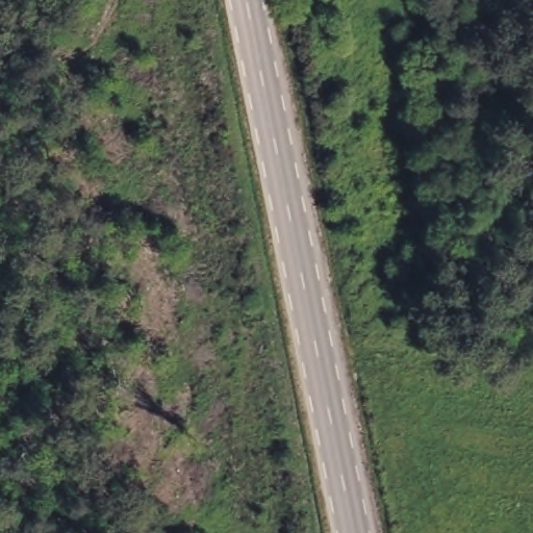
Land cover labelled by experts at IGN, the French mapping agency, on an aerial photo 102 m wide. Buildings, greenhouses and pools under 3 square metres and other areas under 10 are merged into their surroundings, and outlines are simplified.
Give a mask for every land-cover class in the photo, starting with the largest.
<instances>
[{"label":"herbaceous vegetation","instance_id":"1","mask_svg":"<svg viewBox=\"0 0 533 533\"><path fill-rule=\"evenodd\" d=\"M227 0H108L104 4L100 21H96L92 27L90 48L85 50L90 56L108 60L112 65V79H129L131 83L144 87L146 106H152L154 115H160L169 121L167 129L160 131L154 139L148 137L146 142H142L139 123L135 119H121L115 117V112L87 115L81 117L83 127L102 139V154L104 158H108V162L100 173H90L87 177H83L81 173L75 175L79 200L85 204L83 212L87 219L96 223H112L115 227H119L131 225L139 219L146 227L158 225L160 233L150 235L146 239L150 248L158 252V275L167 285L175 287L177 306L173 314L162 323L156 335L152 331H146V335L139 341L129 346V350L125 352L127 358L137 366L152 369V375L156 377V389L150 396L162 402H173L183 391H189V412L185 414L183 437L189 441L194 454L187 460H183V468L189 473L194 493L200 504L187 506L177 514L181 523L169 525L164 533H279V518L294 510L304 512L306 518L302 523L306 525L308 533H329L325 502L314 466V452L306 429V412L300 400L296 366L289 352L287 321L283 312L281 291L277 285L271 231L267 223L258 167L248 129V115L239 87L233 42L225 12ZM121 33L135 37L139 46L146 44L150 48V54L142 58L129 56L125 48H119L115 44ZM152 196H162L173 206L185 204V217H189L192 223L187 235L181 237L173 219L154 212L144 204V200ZM477 4V17L468 23H462L450 42V46L464 50L496 48V42L502 37L498 25L502 19H510L514 25H523L531 21L533 15V0H473ZM381 58L387 67L389 77L387 112L381 119V135L389 139L394 146L396 173L389 175V181L396 185L400 217L391 239L375 252L373 275L377 277L383 294L394 302H406V287L418 283L421 271L429 267V260L437 252V248L427 244V227L437 223L439 210L433 202L418 200L416 189L421 185L416 183V171L408 167V160L416 152L429 150V146L437 142L443 133L456 129V117H450L452 104H464L462 85L456 79L435 83V96L441 104V117L433 125L416 127L412 123H406L410 90L402 85V58L410 52V48L416 42L437 40V31L429 25L427 17L402 10H379ZM352 391L356 396L358 414L362 423L360 443L366 456L364 471L371 479V489L375 493V504L383 529L381 533H391L398 527V521L389 518L385 489L381 485L379 448L373 435L375 416L369 410L366 387L360 377H356ZM106 452L115 462L135 460L133 448L127 441L108 439Z\"/></svg>","mask_w":533,"mask_h":533},{"label":"coniferous trees","instance_id":"2","mask_svg":"<svg viewBox=\"0 0 533 533\"><path fill-rule=\"evenodd\" d=\"M77 0H0V429L8 431L15 418H23L25 423L23 435L0 450V533H164L169 525L181 523L177 514L169 510V506L158 496H144L139 491L144 487V481H139L135 460L115 462L106 452L108 439V431L112 427V410H108V406L112 402V391L119 385V379L125 375L121 360L127 358L125 352L129 350V346L139 341L146 335V331L135 323L117 310L121 306L119 298H125V287L115 285V277H108V264L102 258L92 256L90 227L96 223L87 219L83 212L85 204L79 200L75 175V150H62L52 144L56 137L73 135L77 129L83 127L81 117L87 115L90 90L87 85H81V77L69 71L67 62L71 56L65 50L60 52L50 48L48 35L54 27H65V21ZM502 37L496 42V48L464 50L466 62L456 79L462 85L464 104H452L450 117H456V129H473V156L477 169L489 171L487 181L491 185L500 181L510 192L512 200L504 206L502 217L485 233L479 235L473 256H456L443 248H437V252L429 260V267L421 271L418 283L406 287V302H394L389 308H379V319L385 325L404 321L410 346L423 352H433L435 373L458 387H466L475 377H483L491 387H496L502 394H508L512 389L514 379L523 383L527 375L533 377V15L531 21L523 25H514L510 19H502L498 25Z\"/></svg>","mask_w":533,"mask_h":533},{"label":"brushwood","instance_id":"3","mask_svg":"<svg viewBox=\"0 0 533 533\"><path fill-rule=\"evenodd\" d=\"M269 15L275 23V31L279 35L291 77L296 125L302 129L304 148L308 154L310 194L319 212V223L323 227L321 248L327 254L331 271L333 302L341 321L339 339L344 348L346 369H350L356 362L366 360V352L373 346L404 352L410 346L404 321L385 325L379 319V308H389L394 302L383 294L377 277L373 275L375 252L391 239L400 217L396 185L389 181V175L396 173L394 146L389 139L381 135V119L387 112L389 77L387 67L381 58L379 10H402L400 0H269ZM337 12L344 19V27L335 35V44L331 48L323 46L312 52L308 40L312 21L319 15L335 17ZM115 44L119 48H125L129 56L142 58L150 54V48L146 44L139 46L135 37L121 33ZM69 71L81 77V85H87L90 90L98 83L112 79V65L108 60L90 56L85 50L77 48L71 56L67 62ZM139 123L142 142H146L148 137L154 139L160 131L167 129L169 121L160 115H154L152 106H146L144 115L135 119ZM62 150H75V175L81 173L83 177H87L90 173H100L108 162V158H104L102 154V139L83 127L77 129L73 135L56 137L52 144ZM160 233L158 225L146 227L139 219L131 225L119 227H115L112 223H96L90 227L92 256L102 258L108 264V277H115V285L125 287V298H119L121 306L117 310L135 323L142 310V287L137 281H131L129 273L135 267L137 252L144 246L150 248L146 239L150 235ZM306 518L304 512L294 510L279 518V533H308L306 525L302 523Z\"/></svg>","mask_w":533,"mask_h":533},{"label":"impervious surface","instance_id":"4","mask_svg":"<svg viewBox=\"0 0 533 533\"><path fill-rule=\"evenodd\" d=\"M269 0H227L225 12L233 42L239 87L248 115V129L258 167L267 223L271 231L277 285L281 291L283 312L287 321L289 352L296 366L300 400L306 412V429L314 452V466L325 502L329 533H381L383 529L375 504V493L371 489V479L364 471L366 456L360 443L362 423L358 414L356 396L352 391L356 377V373H352L350 369H346L344 348L339 339L341 321L333 302L331 271L327 254L321 248L323 227L319 223V212L310 194L308 154L304 148L302 129L296 125L291 77L279 35L275 31V23L269 15Z\"/></svg>","mask_w":533,"mask_h":533},{"label":"agricultural land","instance_id":"5","mask_svg":"<svg viewBox=\"0 0 533 533\"><path fill-rule=\"evenodd\" d=\"M366 360L356 362L350 369L352 373H356V377H360L366 387L369 410L375 416L373 435L379 448L381 485L385 489L389 518L398 521V527L391 533H533V377L527 375L523 383L514 379L512 389L508 394H502L496 387H491L483 377H475L466 387H458L435 373L433 352H423L410 346L404 352L373 346L366 352Z\"/></svg>","mask_w":533,"mask_h":533},{"label":"deciduous trees","instance_id":"6","mask_svg":"<svg viewBox=\"0 0 533 533\"><path fill-rule=\"evenodd\" d=\"M108 0H77L65 21V27H54L48 35L50 48L60 52L65 50L71 56L77 48L85 50L90 48L92 27L96 21H100L104 4ZM402 10L427 17L429 25L437 31V40L416 42L410 48V52L402 58V85L410 90L406 123H412L416 127L433 125L441 117V104L435 96V83L456 79L466 62L464 50L450 46V42L462 23H468L477 17V4L473 0H400ZM344 27V19L337 12L335 17L319 15L312 21L308 40L312 52L323 46L331 48L335 44V35ZM146 106L144 87L131 83L129 79H112L98 83L90 90L87 115L115 112V117L121 119H135L144 115ZM473 129H456L443 133L437 142L429 146V150L416 152L408 160V167L416 171V183L421 185L416 189L418 200L433 202L439 210L437 223L427 227V244L437 248H443L456 256H473L479 235L485 233L502 217L504 206L512 200L510 192L500 181L491 185L487 181L489 171L477 169L473 156ZM25 423L23 418H15L8 431L0 429V450L23 435Z\"/></svg>","mask_w":533,"mask_h":533},{"label":"pervious surface","instance_id":"7","mask_svg":"<svg viewBox=\"0 0 533 533\"><path fill-rule=\"evenodd\" d=\"M144 204L154 212L173 219L181 237L187 235L192 223L189 217H185V204L173 206L162 196H152L144 200ZM158 252L150 248L144 246L137 252L135 267L129 273L131 281H137L142 287V310L135 323L146 331H152L156 335L162 323L173 314L177 306L175 287L167 285L158 275ZM125 375L119 379V385L112 391V402L108 406V410H112V427L108 431V439L127 441L133 448L135 460L139 481H144V487L139 491L144 496H158L169 506V510L177 514L187 506L200 504L194 493L189 473L183 468V460H187L194 454L189 441L183 437L185 414L189 412V391H183L173 402H162L150 396L156 389V377L152 375V369L137 366L127 358L121 360Z\"/></svg>","mask_w":533,"mask_h":533}]
</instances>
